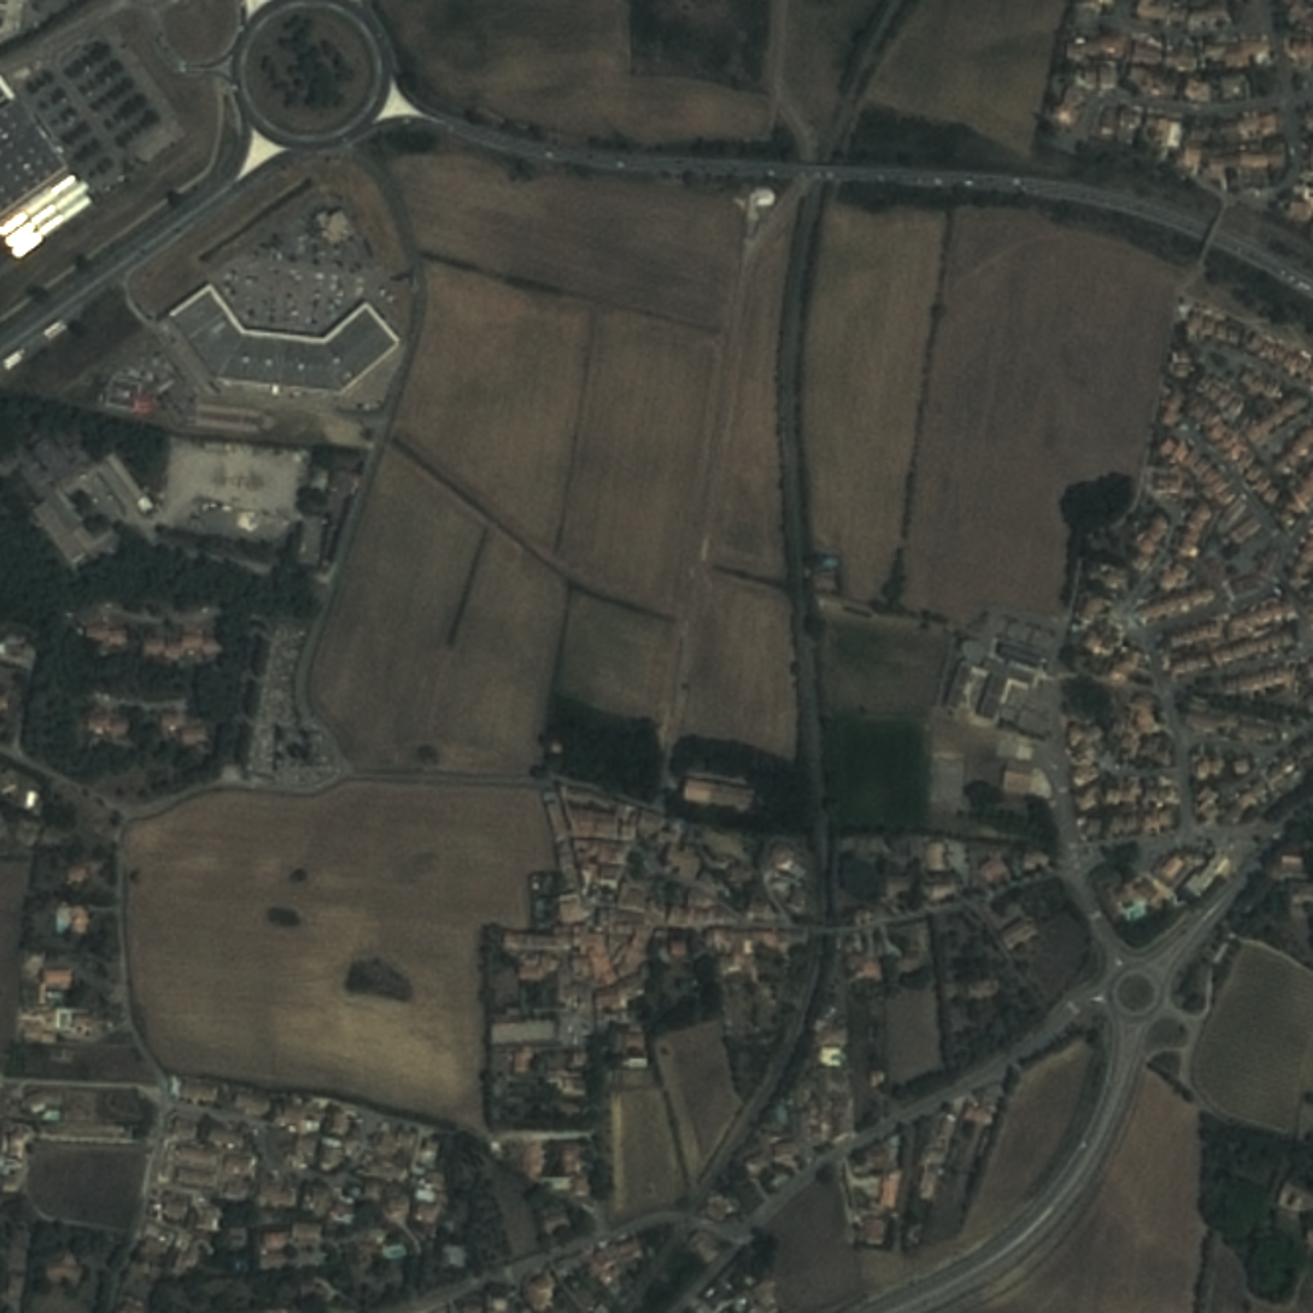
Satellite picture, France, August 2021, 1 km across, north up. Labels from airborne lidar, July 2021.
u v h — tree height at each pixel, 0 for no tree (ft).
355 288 0
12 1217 29
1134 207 0
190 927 0
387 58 0
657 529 0
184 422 0
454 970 0
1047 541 0
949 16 0
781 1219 0
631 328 0
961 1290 0
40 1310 0
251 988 0
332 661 0
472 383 0
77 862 24
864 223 0
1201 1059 0
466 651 0
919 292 0
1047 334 0
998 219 0
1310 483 0
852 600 0
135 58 0
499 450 0
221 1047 0
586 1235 52
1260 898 47
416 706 0
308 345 0
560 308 0
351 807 0
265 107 0
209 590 54
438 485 0
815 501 0
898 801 0
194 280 0
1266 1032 0
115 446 52
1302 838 44
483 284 0
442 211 0
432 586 0
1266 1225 54
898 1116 0
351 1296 32
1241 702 29
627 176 0
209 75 0
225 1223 30
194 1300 33
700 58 0
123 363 0
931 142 0
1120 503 35
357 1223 24
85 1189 0
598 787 24
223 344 0
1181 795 0
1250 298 25
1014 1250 0
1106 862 41
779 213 0
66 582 46
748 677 0
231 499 0
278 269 0
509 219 0
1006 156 0
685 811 48
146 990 0
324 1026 0
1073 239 0
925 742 0
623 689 0
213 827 0
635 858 31
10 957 0
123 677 21
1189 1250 0
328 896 0
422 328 0
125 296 0
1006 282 0
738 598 0
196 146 0
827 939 27
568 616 0
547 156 0
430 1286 21
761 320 0
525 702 0
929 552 0
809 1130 0
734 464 0
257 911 0
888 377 0
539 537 0
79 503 39
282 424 0
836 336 0
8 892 0
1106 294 0
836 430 0
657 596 0
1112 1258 0
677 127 0
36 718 41
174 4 0
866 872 58
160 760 40
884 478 0
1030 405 0
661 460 0
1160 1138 0
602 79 0
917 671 0
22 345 0
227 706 42
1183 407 19
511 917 0
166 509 0
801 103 0
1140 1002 0
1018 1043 26
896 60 0
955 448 0
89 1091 0
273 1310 21
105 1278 37
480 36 0
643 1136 0
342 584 0
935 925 33
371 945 0
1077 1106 0
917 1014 0
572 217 0
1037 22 0
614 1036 31
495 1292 35
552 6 0
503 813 0
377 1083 0
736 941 0
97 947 40
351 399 0
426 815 0
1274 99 0
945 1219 0
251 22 0
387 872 0
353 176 0
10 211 0
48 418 49
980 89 0
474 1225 26
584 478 0
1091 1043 29
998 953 34
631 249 0
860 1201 0
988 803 30
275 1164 0
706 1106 0
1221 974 29
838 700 0
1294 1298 37
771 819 29
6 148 0
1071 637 20
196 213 0
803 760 24
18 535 44
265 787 0
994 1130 26
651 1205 0
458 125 0
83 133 17
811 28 0
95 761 38
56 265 0
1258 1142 50
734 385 0
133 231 0
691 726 0
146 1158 0
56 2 0
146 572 37
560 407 0
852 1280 0
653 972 34
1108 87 0
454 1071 0
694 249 0
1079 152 28
